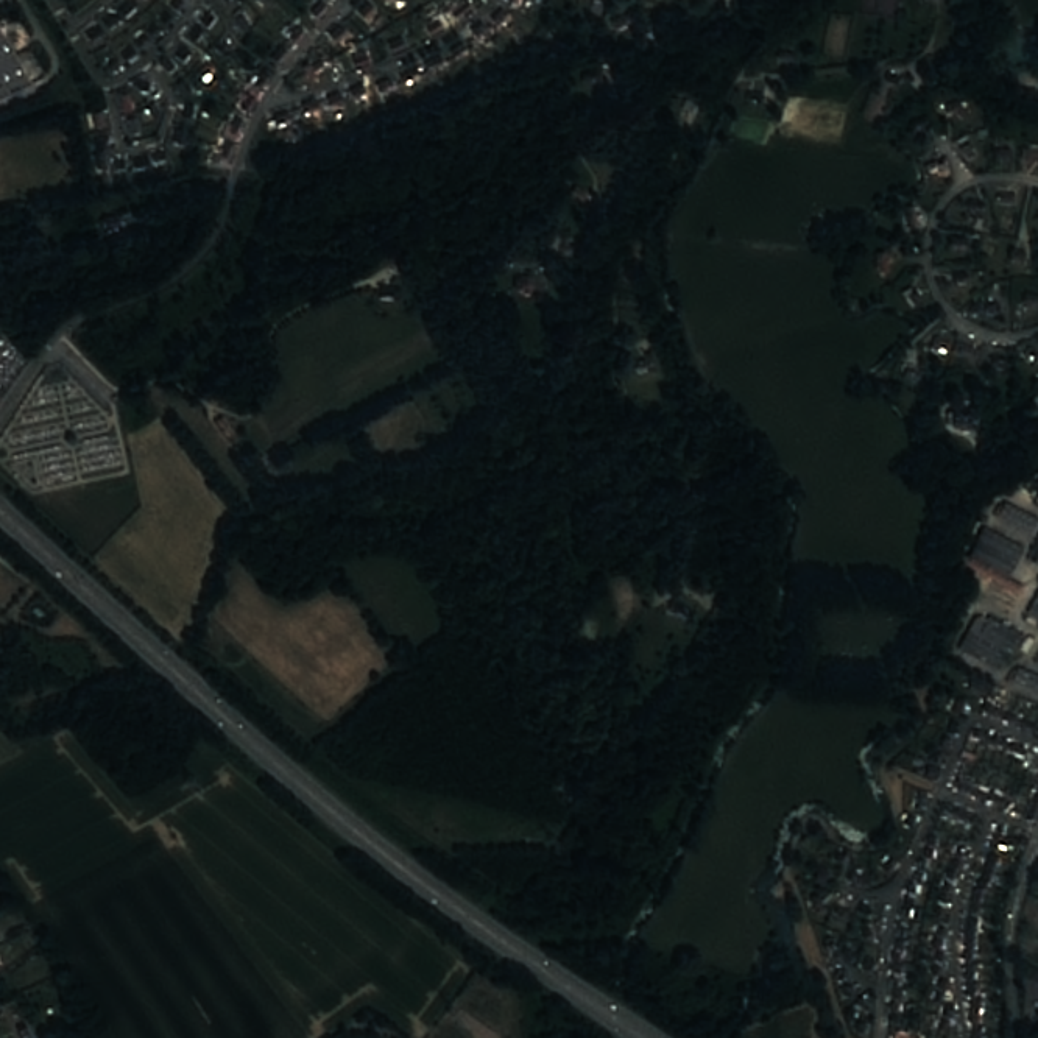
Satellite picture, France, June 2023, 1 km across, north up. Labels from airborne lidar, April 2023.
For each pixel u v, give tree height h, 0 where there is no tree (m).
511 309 31
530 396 25
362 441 27
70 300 25
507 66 11
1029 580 0
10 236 10
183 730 23
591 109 27
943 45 0
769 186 0
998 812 0
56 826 0
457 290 30
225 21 0
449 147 24
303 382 0
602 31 15
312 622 0
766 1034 0
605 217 27
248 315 21
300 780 0
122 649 9
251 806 0
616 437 22
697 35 27
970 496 24
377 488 25
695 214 0
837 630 0
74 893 0
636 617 0
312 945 0
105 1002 0
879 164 0
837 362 0
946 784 0
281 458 21
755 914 0
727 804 0
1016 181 0
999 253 0
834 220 20
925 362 8
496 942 0
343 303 0
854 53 0
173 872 0
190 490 0
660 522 12
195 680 0
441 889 0
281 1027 0
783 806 0
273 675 0
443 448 19
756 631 28
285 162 16
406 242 26
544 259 25
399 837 0
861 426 0
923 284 0
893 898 0
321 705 0
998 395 15
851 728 0
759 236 0
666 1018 13
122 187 19
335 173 24
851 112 0
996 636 0
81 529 0
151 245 21
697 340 0
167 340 0
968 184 0
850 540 0
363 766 11
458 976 0
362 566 0
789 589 19
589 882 18
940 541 31
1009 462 30
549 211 18
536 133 28
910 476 20
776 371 0
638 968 15
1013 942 0
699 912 0
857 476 0
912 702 9
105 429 0
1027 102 18
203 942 0
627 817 23
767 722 0
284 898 0
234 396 21
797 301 0
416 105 14
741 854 0
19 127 18
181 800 0
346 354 0
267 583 17
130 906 0
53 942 14
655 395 0
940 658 19
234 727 0
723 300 0
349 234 25
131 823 0
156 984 0
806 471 0
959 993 0
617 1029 0
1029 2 0
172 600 0
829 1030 15
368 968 0
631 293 0
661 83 28
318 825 0
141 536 0
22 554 13
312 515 26
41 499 0
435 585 17
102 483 0
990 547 0
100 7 0
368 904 0
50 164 0
